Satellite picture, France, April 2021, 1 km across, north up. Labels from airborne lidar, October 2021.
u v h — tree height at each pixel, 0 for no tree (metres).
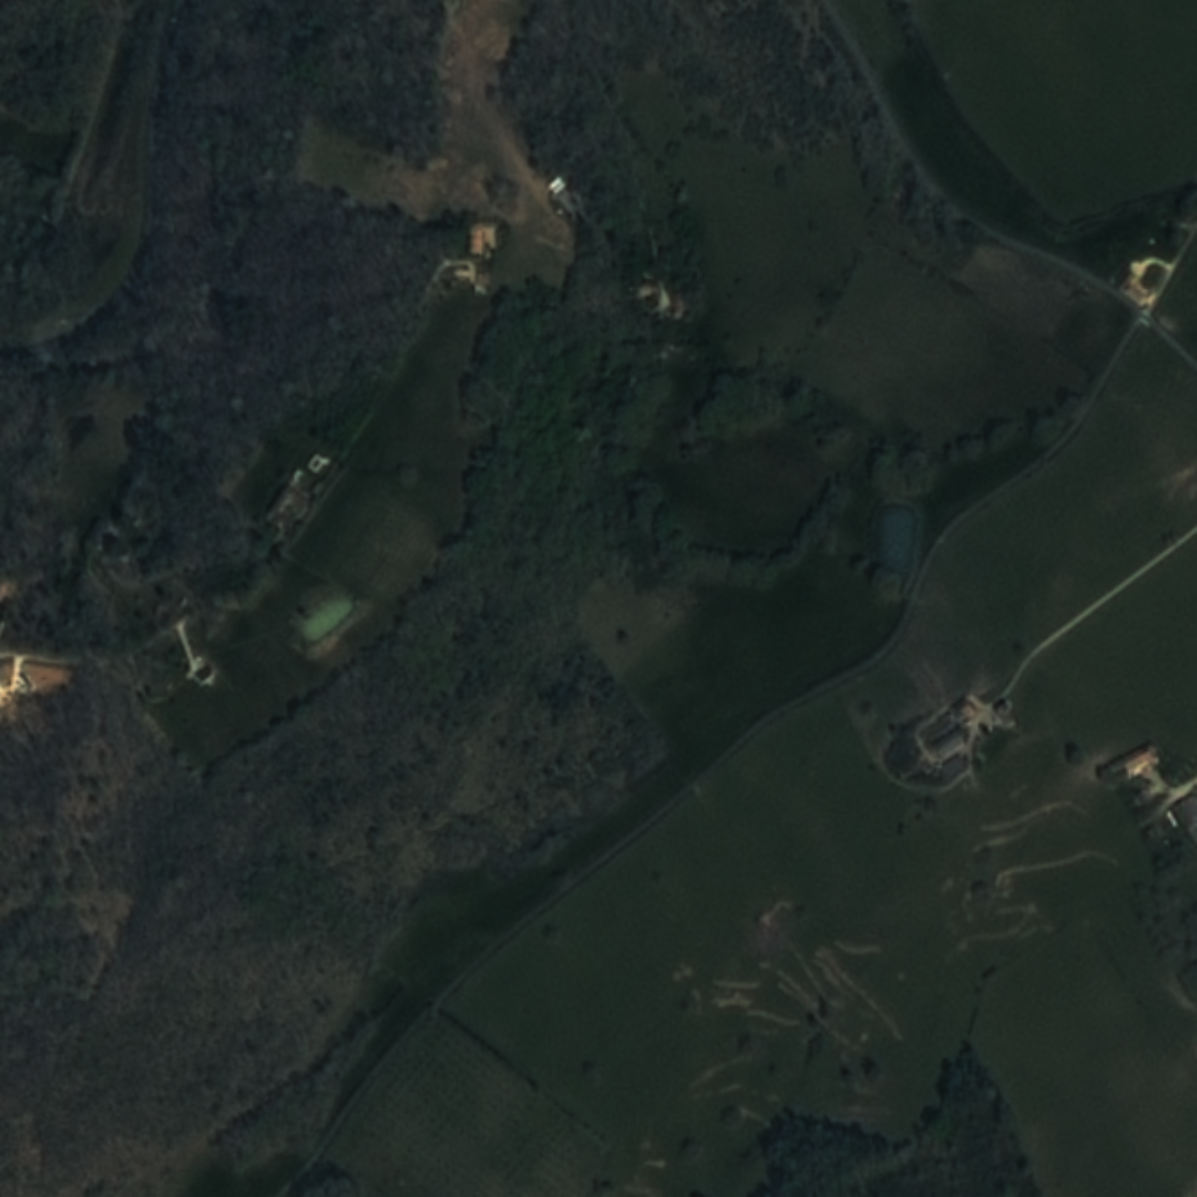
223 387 21
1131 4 0
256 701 0
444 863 14
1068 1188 0
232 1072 19
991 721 0
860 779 0
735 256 0
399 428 0
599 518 20
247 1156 22
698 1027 0
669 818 0
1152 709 0
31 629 17
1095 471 0
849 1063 0
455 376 0
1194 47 0
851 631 0
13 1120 11
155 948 13
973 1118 7
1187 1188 0
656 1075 0
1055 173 0
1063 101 0
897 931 0
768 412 21
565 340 22
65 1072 15
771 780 0
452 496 0
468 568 21
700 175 0
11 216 13
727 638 0
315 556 0
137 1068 13
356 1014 0
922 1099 0
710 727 0
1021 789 0
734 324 0
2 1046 13
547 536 24
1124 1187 0
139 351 14
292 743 12
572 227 12
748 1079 0
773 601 0
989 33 0
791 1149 17
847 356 0
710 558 16
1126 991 0
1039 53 0
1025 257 0
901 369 0
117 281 0
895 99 0
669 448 0
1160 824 0
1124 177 0
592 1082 9
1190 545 0
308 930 23
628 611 0
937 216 22
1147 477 0
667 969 0
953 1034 0
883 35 0
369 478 0
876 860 0
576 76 21
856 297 0
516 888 0
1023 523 0
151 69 23
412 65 14
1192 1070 0
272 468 0
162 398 15
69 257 24
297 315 17
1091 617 0
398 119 12
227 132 24
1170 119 0
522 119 17
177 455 29
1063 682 0
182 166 22
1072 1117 0
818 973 0
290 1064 22
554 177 14
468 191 0
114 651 19
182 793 15
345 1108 0
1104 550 0
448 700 17
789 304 0
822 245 0
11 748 16
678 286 11
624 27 17
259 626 0
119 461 0
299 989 10
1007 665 0
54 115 27
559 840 16
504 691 15
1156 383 0
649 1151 0
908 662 0
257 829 15
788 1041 0
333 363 18
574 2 21
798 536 9
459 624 20
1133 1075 0
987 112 0
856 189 0
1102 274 0
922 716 0
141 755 19
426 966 0
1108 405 0
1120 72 0
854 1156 18
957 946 0
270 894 21
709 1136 0
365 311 18
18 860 19
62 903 21
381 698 17
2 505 15
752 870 0
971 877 0
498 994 0
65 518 0
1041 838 0
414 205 0
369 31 15
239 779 17
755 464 0
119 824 10
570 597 24
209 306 9
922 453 9
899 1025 0
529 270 0
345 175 0
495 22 0
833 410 7
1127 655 0
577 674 12
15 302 20
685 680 0
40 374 20
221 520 23
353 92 14
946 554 0
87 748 9
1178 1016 0
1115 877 0
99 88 31
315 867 18
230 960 17
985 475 0
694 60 8
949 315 0
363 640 0
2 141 0
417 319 16
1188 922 12
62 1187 11
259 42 23
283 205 19
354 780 19
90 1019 12
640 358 20
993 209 0
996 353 0
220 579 11
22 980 19
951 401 0
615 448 23
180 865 18
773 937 0
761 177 0
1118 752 0
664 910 0
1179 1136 0
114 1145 11
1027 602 0
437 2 17
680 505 0
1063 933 0
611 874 0
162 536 8
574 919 0
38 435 15
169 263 16
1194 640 0
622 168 25
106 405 0
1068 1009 0
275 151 17
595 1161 0
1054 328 0
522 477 27
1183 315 0
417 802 11
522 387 21
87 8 23
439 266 15
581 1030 0
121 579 17
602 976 0
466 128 0
